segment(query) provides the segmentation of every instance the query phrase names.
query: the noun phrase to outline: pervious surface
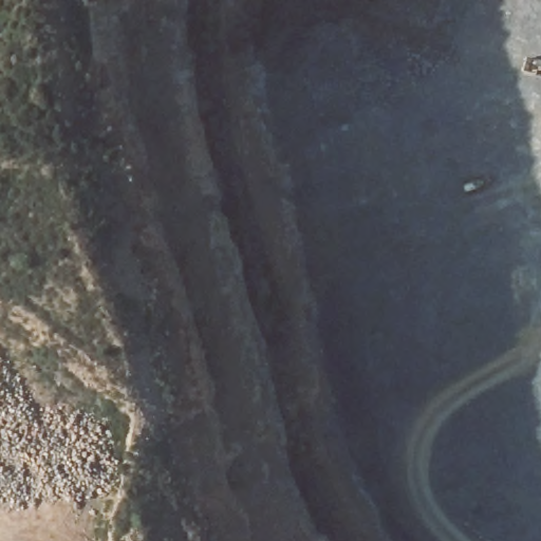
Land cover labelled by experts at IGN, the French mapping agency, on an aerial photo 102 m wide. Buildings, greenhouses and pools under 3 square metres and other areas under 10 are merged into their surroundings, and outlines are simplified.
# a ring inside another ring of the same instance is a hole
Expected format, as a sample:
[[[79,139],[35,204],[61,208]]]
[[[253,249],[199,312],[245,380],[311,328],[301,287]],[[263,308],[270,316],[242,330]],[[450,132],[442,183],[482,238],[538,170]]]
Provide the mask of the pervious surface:
[[[137,182],[142,207],[158,222],[158,230],[163,230],[163,239],[169,245],[169,254],[175,258],[182,285],[186,290],[186,300],[190,304],[192,321],[199,334],[199,342],[205,355],[205,366],[216,389],[211,412],[197,414],[192,421],[175,425],[171,431],[167,431],[161,425],[152,427],[167,412],[173,414],[175,410],[169,385],[165,385],[165,380],[161,378],[137,378],[129,389],[131,402],[123,404],[120,412],[129,418],[125,450],[133,446],[137,435],[142,435],[144,440],[152,437],[154,442],[161,442],[165,437],[171,440],[171,459],[167,459],[163,465],[171,478],[190,478],[190,488],[194,497],[194,511],[188,518],[188,522],[192,524],[192,530],[186,533],[188,541],[541,541],[541,0],[82,0],[82,6],[89,15],[93,59],[99,63],[110,63],[112,74],[120,70],[120,61],[129,70],[129,85],[133,89],[123,93],[116,104],[120,108],[127,108],[131,114],[137,114],[135,127],[139,129],[146,150],[137,152],[133,161],[129,161],[127,156],[118,161],[127,182]]]
[[[118,467],[118,461],[110,459],[110,454],[104,450],[95,450],[93,446],[93,442],[104,444],[104,437],[99,437],[99,421],[93,414],[74,414],[70,404],[66,402],[53,404],[40,410],[40,404],[34,399],[23,372],[15,370],[13,357],[0,349],[0,541],[104,541],[97,539],[93,533],[95,514],[87,507],[95,503],[93,492],[108,488],[106,480],[110,480],[110,473]]]
[[[30,330],[32,344],[42,347],[49,336],[49,325],[23,306],[13,306],[2,317]]]
[[[68,370],[76,374],[85,387],[93,389],[95,383],[91,378],[91,372],[72,361],[68,363]]]

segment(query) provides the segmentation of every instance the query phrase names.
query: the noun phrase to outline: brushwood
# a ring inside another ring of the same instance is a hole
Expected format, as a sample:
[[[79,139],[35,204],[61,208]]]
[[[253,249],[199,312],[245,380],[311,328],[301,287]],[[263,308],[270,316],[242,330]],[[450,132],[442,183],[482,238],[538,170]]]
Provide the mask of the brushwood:
[[[120,61],[120,70],[112,74],[110,63],[99,63],[93,59],[89,15],[82,6],[82,0],[0,0],[0,163],[4,158],[19,158],[21,163],[44,163],[44,148],[63,139],[61,161],[70,175],[70,180],[63,184],[53,173],[49,178],[36,178],[27,175],[25,171],[0,167],[0,349],[13,357],[15,370],[23,372],[30,366],[36,368],[38,383],[51,391],[53,404],[66,402],[70,404],[74,414],[93,414],[99,421],[106,421],[108,406],[112,402],[101,397],[101,393],[93,389],[85,387],[76,374],[68,370],[68,363],[72,361],[82,349],[89,353],[91,359],[97,359],[101,363],[106,359],[106,349],[123,344],[127,349],[127,359],[131,366],[131,376],[125,385],[129,389],[137,378],[161,378],[165,380],[165,385],[169,385],[175,410],[173,414],[167,412],[152,427],[161,425],[167,431],[171,431],[175,425],[192,421],[197,414],[211,412],[216,389],[205,366],[205,355],[199,342],[199,334],[192,321],[190,304],[186,300],[186,290],[182,285],[175,258],[169,254],[169,245],[163,239],[163,230],[158,230],[158,222],[142,207],[137,182],[127,182],[118,161],[127,156],[129,161],[133,161],[137,152],[146,150],[139,129],[135,127],[137,114],[131,114],[127,108],[120,108],[116,104],[123,93],[133,89],[129,85],[129,70]],[[8,264],[8,258],[15,254],[25,254],[27,258],[32,254],[38,254],[44,264],[30,268],[25,262],[23,268],[13,268]],[[59,319],[59,315],[46,311],[40,304],[34,304],[32,296],[40,296],[46,281],[57,281],[63,287],[70,285],[76,292],[76,313],[72,313],[68,319]],[[13,306],[23,306],[49,325],[49,336],[42,347],[32,344],[30,330],[2,317]]]
[[[167,459],[171,459],[171,440],[165,437],[161,442],[154,442],[152,437],[144,440],[142,435],[137,435],[133,446],[139,450],[139,454],[135,461],[135,475],[127,482],[125,495],[131,501],[135,501],[139,509],[144,541],[188,541],[186,533],[192,530],[192,524],[188,522],[188,518],[194,511],[194,497],[190,488],[190,478],[171,478],[163,465]]]

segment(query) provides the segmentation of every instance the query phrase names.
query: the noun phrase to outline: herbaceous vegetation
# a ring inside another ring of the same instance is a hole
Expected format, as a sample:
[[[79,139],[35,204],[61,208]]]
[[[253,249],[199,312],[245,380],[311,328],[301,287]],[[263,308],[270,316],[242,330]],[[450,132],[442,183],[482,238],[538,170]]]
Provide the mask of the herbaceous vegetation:
[[[23,268],[25,262],[30,268],[44,264],[38,254],[32,254],[27,258],[25,254],[15,254],[8,258],[8,264],[13,268]]]
[[[49,178],[53,173],[63,184],[70,180],[70,175],[61,161],[63,139],[44,148],[44,163],[21,163],[19,158],[4,158],[0,163],[0,167],[25,171],[27,175],[36,178]]]
[[[34,304],[40,304],[46,311],[59,315],[59,319],[68,319],[72,313],[76,313],[76,292],[70,285],[63,287],[57,281],[46,281],[40,296],[32,296]]]
[[[125,385],[131,376],[131,366],[127,359],[127,349],[123,344],[106,349],[106,359],[101,363],[97,359],[91,359],[89,353],[82,349],[72,361],[91,372],[91,378],[95,383],[93,389],[101,393],[101,397],[112,402],[108,406],[106,421],[99,421],[99,437],[104,437],[104,444],[93,442],[93,446],[95,450],[104,450],[110,454],[110,459],[118,461],[118,467],[110,473],[110,480],[106,480],[108,488],[93,492],[95,503],[87,507],[95,514],[93,533],[97,539],[104,541],[144,541],[139,509],[135,501],[131,501],[125,495],[127,482],[135,475],[135,461],[139,454],[139,450],[133,446],[125,450],[129,418],[120,412],[123,404],[131,402],[129,389]]]
[[[53,404],[51,391],[38,383],[36,368],[30,366],[23,372],[34,399],[40,404],[40,410]]]

